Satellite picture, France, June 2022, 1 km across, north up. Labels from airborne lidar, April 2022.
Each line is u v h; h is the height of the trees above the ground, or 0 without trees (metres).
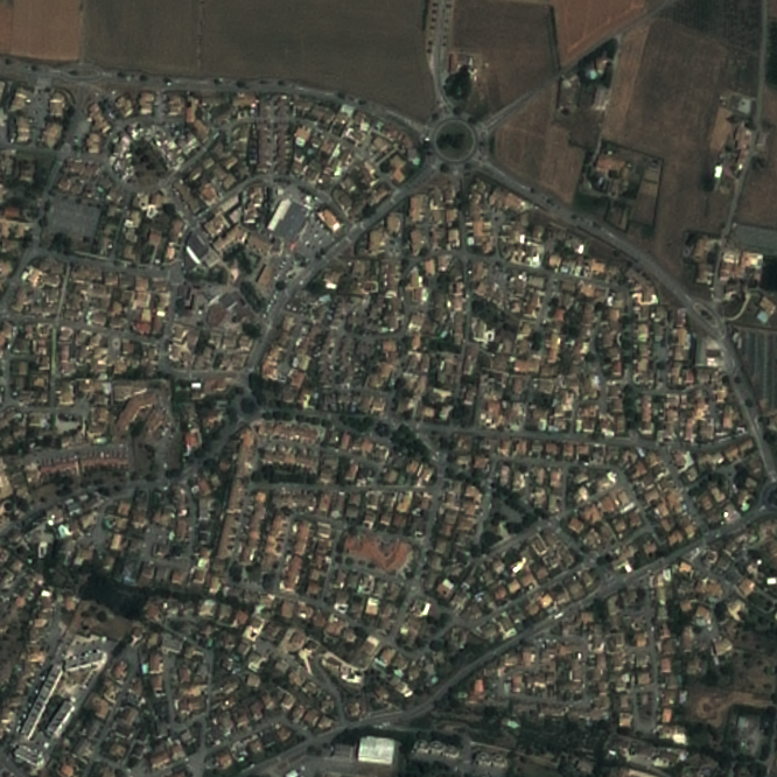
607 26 0
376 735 8
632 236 0
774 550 0
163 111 0
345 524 0
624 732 12
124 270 0
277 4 0
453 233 0
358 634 13
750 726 0
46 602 0
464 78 7
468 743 0
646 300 0
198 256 0
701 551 0
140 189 0
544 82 0
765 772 9
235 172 6
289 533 0
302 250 0
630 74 0
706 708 0
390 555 0
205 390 0
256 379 9
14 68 0
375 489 0
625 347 9
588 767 0
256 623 0
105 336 0
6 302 0
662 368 7
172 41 0
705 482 8
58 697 6
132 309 0
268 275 0
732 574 6
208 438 8
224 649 7
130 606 5
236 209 0
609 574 0
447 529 0
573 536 7
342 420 8
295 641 0
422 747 0
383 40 0
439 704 7
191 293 0
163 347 0
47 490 0
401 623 0
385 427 10
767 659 0
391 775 0
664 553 8
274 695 6
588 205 0
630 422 8
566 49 0
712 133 0
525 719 6
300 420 10
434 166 0
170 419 0
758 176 0
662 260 0
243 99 0
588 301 8
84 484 13
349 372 0
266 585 12
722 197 0
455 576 10
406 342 8
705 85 0
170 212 12
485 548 10
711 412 0
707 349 0
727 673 10
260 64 0
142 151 10
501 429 8
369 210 11
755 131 8
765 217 0
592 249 0
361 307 0
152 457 5
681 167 0
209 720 5
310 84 0
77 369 0
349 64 0
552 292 0
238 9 0
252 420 0
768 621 11
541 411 0
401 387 9
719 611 10
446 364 0
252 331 10
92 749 0
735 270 0
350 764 0
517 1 0
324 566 7
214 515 6
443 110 0
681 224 0
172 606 0
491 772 0
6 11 0
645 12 0
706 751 11
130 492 0
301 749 0
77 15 0
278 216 0
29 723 0
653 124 0
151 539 0
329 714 9
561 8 0
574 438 0
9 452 8
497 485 11
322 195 0
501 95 0
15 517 15
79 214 0
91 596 7
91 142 0
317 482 6
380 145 0
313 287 15
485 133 0
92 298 0
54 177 0
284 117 0
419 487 0
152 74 0
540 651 0
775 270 6
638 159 0
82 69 0
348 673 0
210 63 0
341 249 0
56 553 9
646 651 0
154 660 0
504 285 0
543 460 0
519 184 0
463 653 15
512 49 0
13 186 6
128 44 0
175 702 0
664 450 0
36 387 6
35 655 0
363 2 0
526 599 0
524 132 0
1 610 0
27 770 8
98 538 0
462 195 10
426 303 0
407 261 7
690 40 0
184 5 0
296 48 0
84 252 0
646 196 0
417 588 0
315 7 0
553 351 0
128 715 0
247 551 0
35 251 0
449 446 9
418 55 0
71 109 8
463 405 6
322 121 5
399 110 0
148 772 0
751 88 0
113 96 0
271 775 0
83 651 0
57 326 0
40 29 0
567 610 0
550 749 8
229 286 0
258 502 0
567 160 0
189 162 0
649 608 0
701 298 0
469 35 0
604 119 0
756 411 0
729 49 0
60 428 0
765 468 0
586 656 0
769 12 0
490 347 8
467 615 0
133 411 0
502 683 0
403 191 0
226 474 7
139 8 0
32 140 7
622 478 0
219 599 8
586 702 0
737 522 0
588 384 0
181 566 0
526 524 12
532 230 7
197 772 0
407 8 0
